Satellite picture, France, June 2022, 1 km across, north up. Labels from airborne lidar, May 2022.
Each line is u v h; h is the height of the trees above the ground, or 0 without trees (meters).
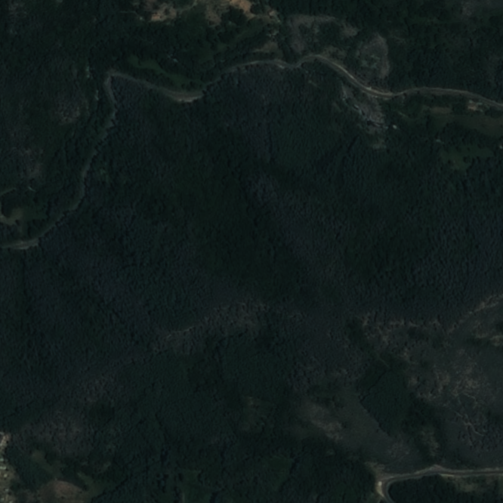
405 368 7
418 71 9
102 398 11
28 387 16
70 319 17
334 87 14
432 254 23
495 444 10
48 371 18
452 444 0
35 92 16
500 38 10
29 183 11
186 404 35
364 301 20
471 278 22
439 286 13
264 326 8
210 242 10
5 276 17
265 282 15
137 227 31
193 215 9
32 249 13
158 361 27
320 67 6
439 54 15
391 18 12
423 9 11
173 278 22
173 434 28
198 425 33
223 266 12
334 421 0
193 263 12
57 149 5
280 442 14
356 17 6
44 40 19
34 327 20
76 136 12
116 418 28
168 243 15
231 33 14
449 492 10
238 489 14
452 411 0
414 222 24
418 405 14
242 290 16
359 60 7
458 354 0
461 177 18
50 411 17
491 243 17
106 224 21
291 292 18
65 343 13
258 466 22
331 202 20
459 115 7
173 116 24
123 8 20
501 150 8
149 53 19
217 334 11
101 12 36
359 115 8
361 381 9
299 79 8
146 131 19
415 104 16
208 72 7
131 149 20
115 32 24
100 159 17
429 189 16
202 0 0
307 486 20
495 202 16
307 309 20
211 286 19
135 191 19
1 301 17
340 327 20
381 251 22
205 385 11
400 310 20
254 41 14
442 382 0
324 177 35
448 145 12
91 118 16
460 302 16
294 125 23
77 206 0
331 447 11
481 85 19
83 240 13
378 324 13
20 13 7
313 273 14
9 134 12
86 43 15
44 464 0
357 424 0
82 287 16
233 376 25
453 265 17
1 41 14
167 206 14
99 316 17
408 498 22
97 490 0
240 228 18
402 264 9
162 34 21
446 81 28
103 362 11
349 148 29
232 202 15
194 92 0
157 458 27
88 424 10
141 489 28
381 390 33
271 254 24
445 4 9
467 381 0
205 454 27
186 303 22
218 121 19
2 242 9
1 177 36
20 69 20
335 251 22
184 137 22
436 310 20
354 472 22
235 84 19
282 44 9
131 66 12
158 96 16
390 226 23
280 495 21
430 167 19
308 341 16
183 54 14
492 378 0
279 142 27
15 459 20
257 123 7
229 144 12
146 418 26
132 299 17
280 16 14
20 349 19
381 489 0
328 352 13
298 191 25
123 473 11
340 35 6
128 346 15
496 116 16
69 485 0
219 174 20
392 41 8
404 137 14
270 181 17
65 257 25
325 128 17
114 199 16
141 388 21
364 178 44
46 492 0
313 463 24
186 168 22
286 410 9
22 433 16
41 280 17
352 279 17
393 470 0
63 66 19
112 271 19
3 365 18
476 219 19
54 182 15
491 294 13
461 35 14
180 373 28
